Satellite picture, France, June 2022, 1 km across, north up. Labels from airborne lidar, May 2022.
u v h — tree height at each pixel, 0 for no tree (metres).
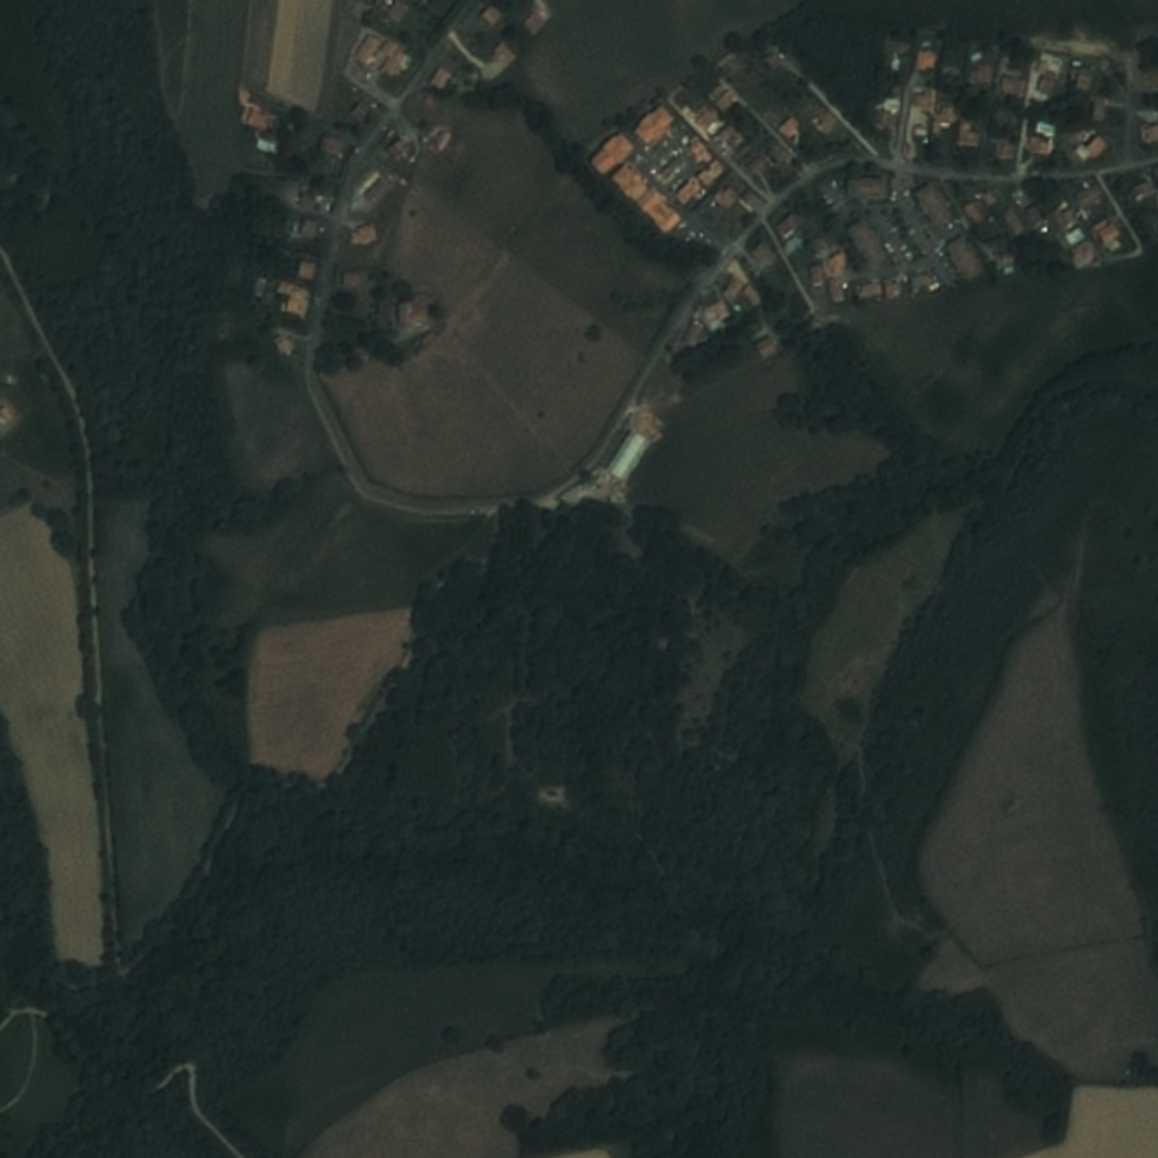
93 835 0
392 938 8
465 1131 0
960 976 0
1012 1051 7
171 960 18
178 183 8
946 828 0
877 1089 0
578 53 0
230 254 12
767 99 0
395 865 14
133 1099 17
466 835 18
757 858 19
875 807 18
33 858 22
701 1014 13
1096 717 0
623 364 0
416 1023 0
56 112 0
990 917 0
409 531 0
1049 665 0
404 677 20
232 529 18
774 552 0
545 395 0
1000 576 0
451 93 7
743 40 15
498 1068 0
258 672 0
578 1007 12
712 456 0
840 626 0
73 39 8
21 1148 0
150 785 0
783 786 19
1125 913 0
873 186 0
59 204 13
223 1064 8
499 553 16
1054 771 0
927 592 0
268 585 0
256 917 20
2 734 17
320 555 0
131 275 8
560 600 22
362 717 0
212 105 0
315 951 6
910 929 0
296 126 8
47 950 13
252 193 8
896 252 0
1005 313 0
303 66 0
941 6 0
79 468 8
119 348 13
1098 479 0
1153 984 0
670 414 0
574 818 7
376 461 0
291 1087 0
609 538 18
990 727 0
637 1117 21
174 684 12
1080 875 0
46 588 0
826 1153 0
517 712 9
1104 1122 0
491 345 0
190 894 8
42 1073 0
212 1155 8
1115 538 0
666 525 18
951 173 0
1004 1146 0
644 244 8
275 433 0
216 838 8
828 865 11
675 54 0
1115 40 0
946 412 0
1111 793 0
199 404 8
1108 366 7
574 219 0
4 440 0
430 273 0
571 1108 15
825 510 16
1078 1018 0
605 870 21
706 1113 11
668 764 9
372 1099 0
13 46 0
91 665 8
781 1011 8
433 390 0
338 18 0
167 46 0
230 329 0
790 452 0
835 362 11
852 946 0
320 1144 0
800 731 17
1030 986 0
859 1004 9
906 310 0
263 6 0
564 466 0
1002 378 0
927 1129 0
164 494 9
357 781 13
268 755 0
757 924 19
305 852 13
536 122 19
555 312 0
